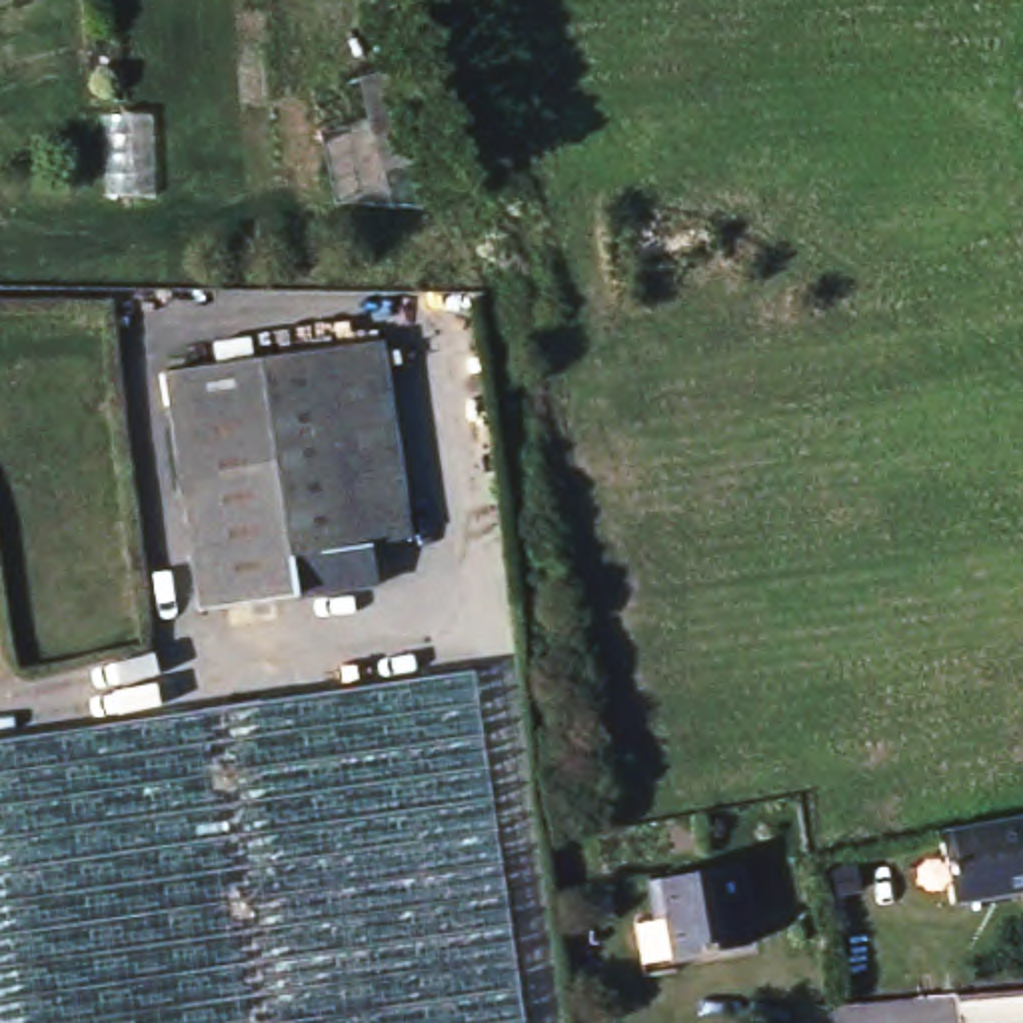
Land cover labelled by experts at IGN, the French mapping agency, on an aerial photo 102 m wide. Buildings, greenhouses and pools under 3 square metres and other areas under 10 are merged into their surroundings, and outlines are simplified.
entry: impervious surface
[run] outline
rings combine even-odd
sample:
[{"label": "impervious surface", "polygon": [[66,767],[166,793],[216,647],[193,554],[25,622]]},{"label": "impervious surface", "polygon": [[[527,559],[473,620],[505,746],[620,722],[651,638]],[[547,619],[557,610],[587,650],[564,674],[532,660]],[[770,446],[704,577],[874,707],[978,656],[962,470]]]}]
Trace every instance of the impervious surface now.
[{"label": "impervious surface", "polygon": [[651,919],[635,923],[639,951],[643,963],[671,959],[663,911],[667,891],[659,879],[647,883]]},{"label": "impervious surface", "polygon": [[851,1003],[835,1011],[835,1023],[967,1023],[959,1015],[963,999],[919,995],[907,1003]]}]

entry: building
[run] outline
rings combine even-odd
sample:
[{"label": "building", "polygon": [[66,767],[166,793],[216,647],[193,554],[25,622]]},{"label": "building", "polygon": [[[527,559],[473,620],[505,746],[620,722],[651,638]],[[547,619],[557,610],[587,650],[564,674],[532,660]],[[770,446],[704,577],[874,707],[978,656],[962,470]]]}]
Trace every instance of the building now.
[{"label": "building", "polygon": [[967,1023],[1023,1023],[1023,995],[963,999],[959,1015]]},{"label": "building", "polygon": [[352,132],[332,140],[328,156],[336,172],[336,196],[344,204],[380,196],[388,208],[420,208],[408,180],[408,160],[388,152],[380,136],[372,124],[356,124]]},{"label": "building", "polygon": [[252,595],[276,595],[284,591],[284,567],[296,563],[304,591],[348,595],[356,599],[356,607],[368,607],[380,583],[416,567],[428,539],[412,527],[408,512],[404,440],[392,396],[392,372],[404,364],[404,352],[380,344],[388,324],[368,316],[364,328],[352,328],[352,336],[304,340],[296,356],[216,356],[204,368],[156,372],[148,380],[164,539],[172,559],[192,567],[196,599],[240,603]]},{"label": "building", "polygon": [[659,879],[667,891],[663,911],[671,959],[727,959],[723,947],[743,947],[791,927],[799,895],[787,871],[783,839],[771,835],[763,843],[735,851],[731,859],[707,859],[699,859],[695,875]]},{"label": "building", "polygon": [[951,847],[951,863],[959,867],[955,891],[963,899],[1007,903],[1023,895],[1023,807],[951,819],[943,843]]}]

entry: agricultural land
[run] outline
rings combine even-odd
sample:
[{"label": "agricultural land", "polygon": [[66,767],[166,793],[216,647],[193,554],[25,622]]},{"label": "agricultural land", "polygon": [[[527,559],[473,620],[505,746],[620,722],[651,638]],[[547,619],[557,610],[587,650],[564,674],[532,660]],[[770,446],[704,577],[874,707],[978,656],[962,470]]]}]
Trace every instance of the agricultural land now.
[{"label": "agricultural land", "polygon": [[[559,324],[543,328],[531,340],[543,368],[563,380],[563,396],[555,400],[559,432],[543,440],[539,464],[551,504],[563,519],[559,559],[563,579],[575,595],[575,627],[583,631],[591,659],[603,675],[603,687],[591,695],[591,715],[611,735],[607,763],[619,787],[615,823],[643,823],[651,799],[659,807],[711,807],[723,799],[787,787],[811,787],[819,795],[823,843],[863,839],[891,827],[915,827],[927,819],[951,819],[1023,807],[1023,0],[428,0],[424,12],[448,28],[444,92],[452,92],[464,104],[464,128],[476,144],[484,188],[531,204],[547,192],[563,216],[559,248],[547,248],[547,268],[559,296]],[[751,268],[739,292],[723,292],[719,280],[675,284],[671,300],[639,304],[635,284],[623,284],[611,272],[611,200],[639,188],[655,200],[675,208],[703,208],[711,216],[723,212],[727,220],[743,220],[755,236],[771,244],[795,248],[787,268],[771,280],[759,280]]]}]

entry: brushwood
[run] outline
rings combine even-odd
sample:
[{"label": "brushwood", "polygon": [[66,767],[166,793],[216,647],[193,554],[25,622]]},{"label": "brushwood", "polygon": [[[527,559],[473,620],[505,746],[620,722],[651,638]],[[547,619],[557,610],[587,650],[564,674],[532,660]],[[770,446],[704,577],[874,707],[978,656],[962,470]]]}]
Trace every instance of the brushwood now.
[{"label": "brushwood", "polygon": [[675,284],[667,248],[635,252],[635,236],[643,236],[643,228],[651,224],[655,200],[639,188],[611,200],[611,272],[623,284],[635,284],[639,304],[671,300]]},{"label": "brushwood", "polygon": [[80,332],[92,332],[108,348],[116,340],[124,324],[136,324],[144,332],[144,312],[136,296],[152,288],[120,280],[0,276],[0,308],[64,304]]},{"label": "brushwood", "polygon": [[751,268],[759,280],[771,280],[787,268],[795,248],[771,244],[755,256]]},{"label": "brushwood", "polygon": [[112,88],[112,60],[100,56],[96,72],[88,76],[88,92],[96,100],[96,116],[104,120],[128,112]]},{"label": "brushwood", "polygon": [[571,891],[575,899],[607,915],[619,911],[611,903],[615,887],[603,875],[627,863],[679,859],[667,839],[671,823],[703,819],[707,859],[731,859],[735,851],[763,843],[771,835],[783,839],[787,871],[799,895],[791,927],[803,935],[827,935],[827,979],[815,991],[835,1011],[851,1003],[847,975],[863,971],[867,959],[875,959],[875,927],[867,903],[875,899],[875,867],[883,867],[891,855],[911,855],[915,863],[927,863],[935,843],[943,843],[951,819],[927,819],[915,827],[891,827],[863,839],[823,843],[819,795],[811,787],[787,787],[723,799],[711,807],[659,807],[651,799],[643,823],[615,823],[619,787],[607,763],[611,735],[591,715],[591,695],[603,687],[603,675],[591,659],[583,631],[575,627],[575,595],[563,579],[559,559],[563,519],[551,504],[539,464],[543,440],[559,432],[555,400],[563,396],[563,380],[543,368],[531,340],[543,328],[559,324],[559,296],[547,268],[547,248],[559,248],[563,216],[547,192],[531,204],[484,188],[476,144],[464,128],[464,104],[452,92],[444,92],[448,28],[424,12],[428,0],[360,0],[356,40],[368,44],[376,56],[388,108],[388,132],[380,136],[388,152],[408,160],[408,180],[420,208],[388,208],[380,196],[344,204],[332,212],[308,212],[304,204],[296,204],[284,216],[284,224],[240,220],[232,232],[224,232],[224,240],[200,232],[184,248],[184,280],[200,292],[392,292],[404,284],[416,300],[424,292],[472,300],[468,328],[476,340],[484,380],[476,408],[492,428],[492,452],[484,456],[484,464],[496,476],[515,647],[523,655],[523,671],[515,679],[515,707],[527,711],[535,839],[547,851],[555,887]]},{"label": "brushwood", "polygon": [[32,623],[20,512],[0,468],[0,579],[8,603],[12,655],[16,667],[28,675],[40,663],[40,639]]},{"label": "brushwood", "polygon": [[1023,979],[1023,911],[991,923],[991,931],[983,935],[983,951],[975,955],[971,979]]},{"label": "brushwood", "polygon": [[659,979],[643,963],[639,951],[631,947],[623,959],[611,959],[603,951],[591,951],[583,935],[567,935],[563,959],[571,975],[603,987],[603,1011],[623,1015],[647,1007],[659,991]]}]

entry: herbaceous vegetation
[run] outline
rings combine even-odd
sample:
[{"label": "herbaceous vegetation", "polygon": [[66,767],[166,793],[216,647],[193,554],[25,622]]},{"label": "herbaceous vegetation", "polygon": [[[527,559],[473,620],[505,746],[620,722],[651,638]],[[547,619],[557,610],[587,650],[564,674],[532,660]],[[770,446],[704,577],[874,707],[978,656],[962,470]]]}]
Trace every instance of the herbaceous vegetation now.
[{"label": "herbaceous vegetation", "polygon": [[[184,248],[200,232],[224,240],[224,232],[232,232],[240,220],[284,224],[284,216],[296,204],[304,204],[308,212],[332,212],[344,204],[336,196],[336,172],[328,156],[332,140],[352,132],[356,124],[372,124],[380,136],[388,132],[388,108],[376,56],[368,44],[356,40],[360,0],[0,0],[0,276],[120,280],[152,288],[156,280],[184,280]],[[108,200],[104,120],[96,116],[96,100],[88,92],[88,76],[96,72],[100,56],[112,60],[112,88],[128,112],[152,116],[156,200]]]},{"label": "herbaceous vegetation", "polygon": [[571,975],[563,959],[567,935],[583,935],[591,951],[603,951],[611,959],[623,959],[631,947],[639,951],[635,923],[651,919],[647,883],[659,879],[695,875],[699,859],[707,859],[703,819],[671,823],[667,839],[679,859],[627,863],[603,875],[615,887],[611,903],[619,911],[607,915],[575,899],[571,891],[555,887],[547,851],[535,839],[519,847],[519,835],[500,831],[527,1023],[763,1023],[755,995],[759,987],[815,991],[827,979],[827,935],[803,935],[791,927],[743,947],[723,947],[727,959],[671,959],[643,963],[659,979],[659,991],[647,1007],[623,1015],[603,1011],[603,987]]},{"label": "herbaceous vegetation", "polygon": [[160,615],[160,603],[156,575],[144,567],[140,555],[140,504],[132,484],[116,340],[108,348],[92,332],[80,332],[64,304],[0,308],[0,468],[20,512],[32,623],[40,639],[40,663],[28,675],[152,655],[148,619]]},{"label": "herbaceous vegetation", "polygon": [[911,855],[891,855],[883,867],[875,867],[875,899],[867,903],[875,927],[875,959],[867,959],[863,971],[847,975],[851,1003],[907,1003],[919,995],[963,999],[1023,995],[1023,979],[971,979],[975,955],[983,951],[983,935],[991,931],[991,923],[1023,911],[1023,895],[1007,903],[963,899],[955,891],[959,867],[951,863],[951,847],[943,843],[935,843],[927,863],[915,863]]}]

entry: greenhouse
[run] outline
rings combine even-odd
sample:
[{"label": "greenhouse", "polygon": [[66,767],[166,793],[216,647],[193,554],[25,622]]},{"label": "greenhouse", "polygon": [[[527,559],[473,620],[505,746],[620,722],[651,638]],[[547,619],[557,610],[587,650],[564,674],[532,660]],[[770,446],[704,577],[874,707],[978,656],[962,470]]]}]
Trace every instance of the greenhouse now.
[{"label": "greenhouse", "polygon": [[508,655],[484,659],[436,655],[424,667],[416,663],[412,671],[380,675],[376,683],[336,679],[328,691],[276,695],[260,703],[236,703],[232,691],[204,699],[200,687],[192,687],[184,695],[160,695],[160,703],[144,711],[48,719],[36,723],[32,735],[16,735],[12,727],[0,731],[0,1023],[527,1023],[500,831],[519,835],[519,847],[535,839],[527,711],[515,707],[515,679],[523,671],[523,655],[515,647]]},{"label": "greenhouse", "polygon": [[104,120],[108,200],[156,200],[152,116],[128,112]]}]

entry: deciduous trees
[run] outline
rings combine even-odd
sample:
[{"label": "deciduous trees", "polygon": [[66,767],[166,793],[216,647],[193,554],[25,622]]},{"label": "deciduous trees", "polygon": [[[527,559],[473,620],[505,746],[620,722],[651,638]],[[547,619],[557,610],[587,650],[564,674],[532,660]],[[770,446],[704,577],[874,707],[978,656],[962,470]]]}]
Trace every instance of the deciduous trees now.
[{"label": "deciduous trees", "polygon": [[763,1023],[835,1023],[835,1011],[815,991],[759,987],[755,995]]}]

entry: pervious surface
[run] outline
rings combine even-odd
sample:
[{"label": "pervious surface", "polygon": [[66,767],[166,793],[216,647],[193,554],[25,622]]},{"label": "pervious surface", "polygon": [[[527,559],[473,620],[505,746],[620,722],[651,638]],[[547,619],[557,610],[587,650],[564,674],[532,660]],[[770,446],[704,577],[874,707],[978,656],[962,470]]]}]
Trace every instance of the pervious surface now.
[{"label": "pervious surface", "polygon": [[[200,292],[184,280],[156,280],[152,288],[136,296],[144,312],[144,332],[136,324],[124,324],[116,340],[132,484],[140,504],[140,555],[144,567],[156,575],[160,603],[160,615],[148,619],[152,655],[28,675],[16,667],[12,655],[8,603],[0,579],[0,731],[12,727],[16,735],[32,735],[36,723],[48,719],[144,711],[160,703],[160,695],[184,695],[192,687],[200,687],[204,699],[232,691],[236,703],[260,703],[276,695],[328,691],[336,679],[376,683],[380,675],[412,671],[416,663],[424,667],[436,655],[484,659],[508,655],[515,647],[496,476],[484,464],[484,456],[492,452],[492,428],[476,408],[484,380],[476,340],[468,328],[472,300],[424,292],[416,300],[404,284],[392,292]],[[192,567],[172,559],[164,539],[148,380],[156,372],[204,368],[216,356],[296,356],[304,340],[352,336],[352,328],[364,328],[368,316],[388,324],[380,344],[404,352],[404,364],[392,372],[392,396],[404,440],[408,512],[412,527],[428,539],[416,567],[380,583],[368,607],[356,607],[356,599],[348,595],[304,591],[296,563],[284,567],[284,591],[276,595],[252,595],[240,603],[196,599]]]},{"label": "pervious surface", "polygon": [[643,236],[635,236],[635,252],[667,248],[675,284],[719,280],[723,292],[739,292],[751,268],[755,256],[771,244],[755,236],[743,220],[727,220],[723,212],[711,216],[703,208],[675,208],[655,200],[651,224],[643,228]]}]

